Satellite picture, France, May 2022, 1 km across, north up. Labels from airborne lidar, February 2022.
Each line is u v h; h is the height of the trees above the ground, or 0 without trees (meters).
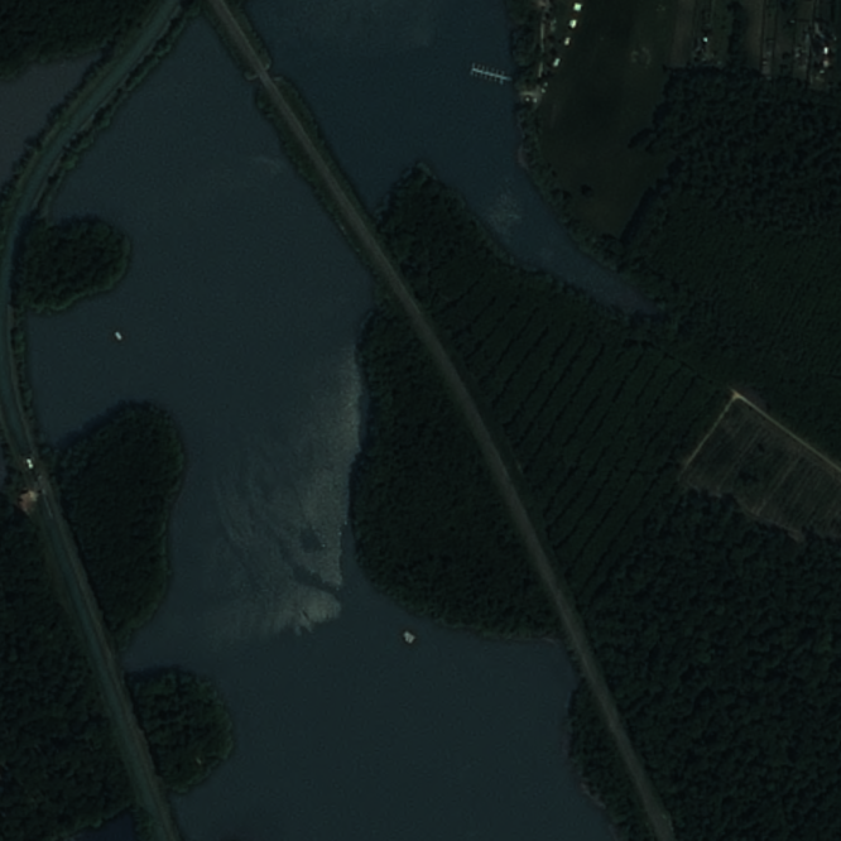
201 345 0
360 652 0
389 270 0
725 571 23
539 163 6
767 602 26
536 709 0
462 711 0
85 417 0
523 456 11
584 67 0
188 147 0
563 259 0
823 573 24
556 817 0
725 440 0
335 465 0
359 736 0
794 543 26
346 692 0
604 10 0
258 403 0
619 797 17
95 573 28
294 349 0
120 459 30
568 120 0
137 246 0
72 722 27
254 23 0
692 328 26
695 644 23
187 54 0
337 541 0
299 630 0
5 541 25
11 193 14
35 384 0
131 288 0
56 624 26
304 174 0
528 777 0
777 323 6
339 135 0
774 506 0
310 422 0
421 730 0
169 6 0
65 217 0
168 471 23
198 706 28
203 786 0
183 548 0
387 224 17
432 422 10
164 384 0
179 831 0
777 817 19
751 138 24
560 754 0
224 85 0
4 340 0
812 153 12
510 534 15
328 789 0
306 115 0
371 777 0
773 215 26
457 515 9
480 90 0
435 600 20
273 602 0
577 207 0
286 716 0
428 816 0
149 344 0
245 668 0
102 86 0
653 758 21
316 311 0
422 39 0
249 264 0
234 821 0
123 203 0
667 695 29
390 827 0
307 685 0
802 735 23
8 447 11
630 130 0
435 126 0
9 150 0
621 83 0
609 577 20
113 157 0
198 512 0
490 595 16
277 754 0
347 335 0
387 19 0
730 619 27
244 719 0
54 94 0
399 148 0
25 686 31
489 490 13
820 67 11
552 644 0
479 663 0
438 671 0
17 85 0
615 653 24
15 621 27
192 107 0
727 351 26
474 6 0
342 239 0
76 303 0
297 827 0
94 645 0
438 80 0
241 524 0
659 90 0
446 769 0
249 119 0
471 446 6
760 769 32
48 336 0
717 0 0
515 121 0
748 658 24
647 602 25
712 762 23
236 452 0
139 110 0
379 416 21
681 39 0
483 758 0
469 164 0
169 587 0
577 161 0
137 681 19
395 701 0
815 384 12
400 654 0
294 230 0
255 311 0
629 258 18
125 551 30
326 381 0
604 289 0
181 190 0
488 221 0
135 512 29
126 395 0
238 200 0
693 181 20
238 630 0
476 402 0
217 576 0
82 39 19
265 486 0
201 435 0
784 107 26
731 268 7
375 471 20
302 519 0
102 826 0
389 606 0
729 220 11
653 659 24
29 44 24
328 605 0
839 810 23
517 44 14
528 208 0
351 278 0
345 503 0
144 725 22
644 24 0
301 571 0
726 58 0
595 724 12
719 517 29
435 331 0
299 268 0
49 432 0
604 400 12
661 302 11
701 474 0
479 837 0
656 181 0
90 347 0
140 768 0
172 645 0
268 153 0
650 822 0
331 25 0
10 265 0
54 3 21
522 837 0
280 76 0
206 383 0
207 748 17
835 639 30
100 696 6
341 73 0
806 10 0
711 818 23
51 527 0
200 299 0
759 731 23
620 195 0
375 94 0
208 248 0
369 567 12
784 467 0
